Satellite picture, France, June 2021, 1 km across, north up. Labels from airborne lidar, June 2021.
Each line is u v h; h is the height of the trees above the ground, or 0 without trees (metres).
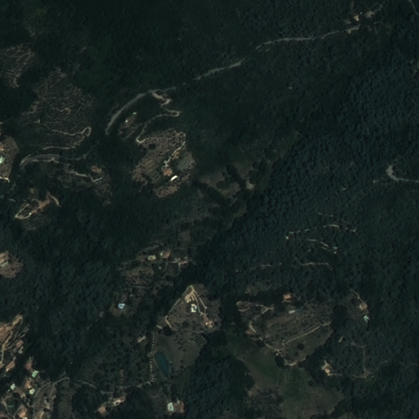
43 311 18
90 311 24
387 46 15
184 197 6
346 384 18
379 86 19
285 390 0
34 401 9
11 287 18
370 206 16
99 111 17
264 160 9
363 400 18
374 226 19
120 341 6
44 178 6
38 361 14
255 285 17
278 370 0
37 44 12
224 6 8
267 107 11
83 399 13
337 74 27
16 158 10
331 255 19
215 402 9
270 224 19
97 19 14
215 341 21
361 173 16
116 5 13
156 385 9
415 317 25
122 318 9
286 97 15
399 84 19
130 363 20
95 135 14
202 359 18
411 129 18
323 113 12
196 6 8
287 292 8
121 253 13
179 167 0
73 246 18
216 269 17
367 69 14
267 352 0
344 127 10
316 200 16
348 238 18
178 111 7
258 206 15
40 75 15
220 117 11
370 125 17
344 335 19
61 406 0
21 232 17
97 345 11
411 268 21
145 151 15
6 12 11
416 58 16
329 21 12
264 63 10
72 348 21
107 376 15
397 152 13
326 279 21
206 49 7
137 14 11
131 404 14
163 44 7
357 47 26
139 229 9
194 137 6
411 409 13
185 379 0
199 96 12
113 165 7
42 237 20
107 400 8
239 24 8
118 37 8
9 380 10
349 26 13
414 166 17
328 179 16
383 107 20
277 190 19
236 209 16
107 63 14
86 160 9
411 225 16
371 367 11
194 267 21
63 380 8
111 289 24
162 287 10
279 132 14
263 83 12
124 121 13
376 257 22
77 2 12
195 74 22
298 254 17
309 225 17
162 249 14
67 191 8
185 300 0
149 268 0
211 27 7
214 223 12
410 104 14
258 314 6
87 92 6
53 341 8
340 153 10
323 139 18
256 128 25
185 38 7
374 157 10
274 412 7
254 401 8
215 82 12
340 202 10
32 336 21
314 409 0
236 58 7
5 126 13
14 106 16
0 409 19
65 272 22
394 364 12
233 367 19
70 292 22
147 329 8
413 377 21
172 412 0
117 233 13
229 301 10
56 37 9
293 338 0
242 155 0
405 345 21
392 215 15
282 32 23
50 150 7
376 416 15
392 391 16
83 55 13
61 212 16
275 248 10
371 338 15
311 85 11
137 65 7
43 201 10
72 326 13
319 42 24
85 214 18
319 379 17
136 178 6
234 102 15
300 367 11
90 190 13
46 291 27
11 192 10
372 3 14
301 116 14
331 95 23
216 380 17
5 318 22
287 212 14
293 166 19
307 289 18
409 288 20
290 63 9
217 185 8
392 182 12
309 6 11
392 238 20
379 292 13
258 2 9
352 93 27
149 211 7
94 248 7
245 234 22
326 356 18
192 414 23
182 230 9
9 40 19
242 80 14
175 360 0
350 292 8
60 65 14
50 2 8
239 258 21
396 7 18
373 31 8
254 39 13
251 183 11
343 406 15
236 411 20
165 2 6
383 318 19
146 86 7
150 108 6
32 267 19
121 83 14
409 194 9
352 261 25
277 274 20
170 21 9
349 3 19
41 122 9
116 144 14
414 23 16
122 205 12
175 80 15
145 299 9
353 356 7
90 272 15
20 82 12
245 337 14
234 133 17
